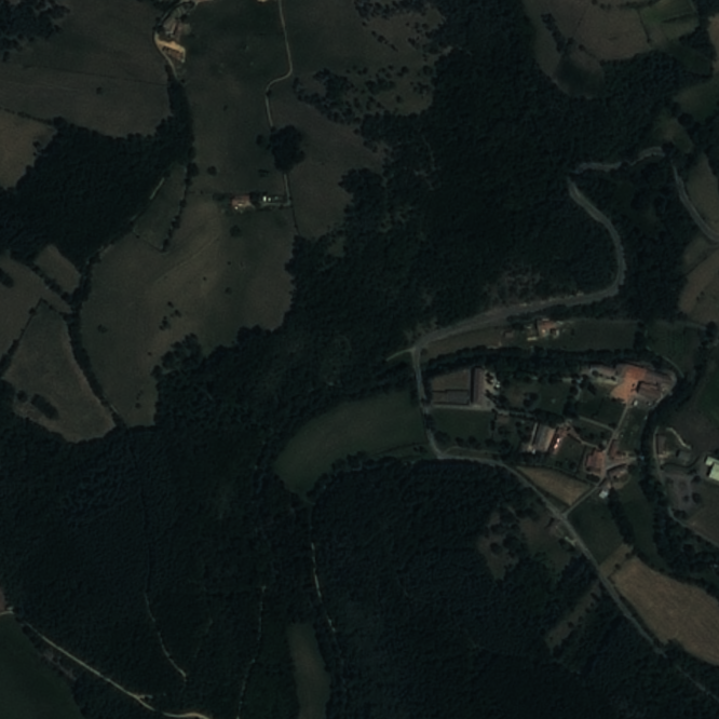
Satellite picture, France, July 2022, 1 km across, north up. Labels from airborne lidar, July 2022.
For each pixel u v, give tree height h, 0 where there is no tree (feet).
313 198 0
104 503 32
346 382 52
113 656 32
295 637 0
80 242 53
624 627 81
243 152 0
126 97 0
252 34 0
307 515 59
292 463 0
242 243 0
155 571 59
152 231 0
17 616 35
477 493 26
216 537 63
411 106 0
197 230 0
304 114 0
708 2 45
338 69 0
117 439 46
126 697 17
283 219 0
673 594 0
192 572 70
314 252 27
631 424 0
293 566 82
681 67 76
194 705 26
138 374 0
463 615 67
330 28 0
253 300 0
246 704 35
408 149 46
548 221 36
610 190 59
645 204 67
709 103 0
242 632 73
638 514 0
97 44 0
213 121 0
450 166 31
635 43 0
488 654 48
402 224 59
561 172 33
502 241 30
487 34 50
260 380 27
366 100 0
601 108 46
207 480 69
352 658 40
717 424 0
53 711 0
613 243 31
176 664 22
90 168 51
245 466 20
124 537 57
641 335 50
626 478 0
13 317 0
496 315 0
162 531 44
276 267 0
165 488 66
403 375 58
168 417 61
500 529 39
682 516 42
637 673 33
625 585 0
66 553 44
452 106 39
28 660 0
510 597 50
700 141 53
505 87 39
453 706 46
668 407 60
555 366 85
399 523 31
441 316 47
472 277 57
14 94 0
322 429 0
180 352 59
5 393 59
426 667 60
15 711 0
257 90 0
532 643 63
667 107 52
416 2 60
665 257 53
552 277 20
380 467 57
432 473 81
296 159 52
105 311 0
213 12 0
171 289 0
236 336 0
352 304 32
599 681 73
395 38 0
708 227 0
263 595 58
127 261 0
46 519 48
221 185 0
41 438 29
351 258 57
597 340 0
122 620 39
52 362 0
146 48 0
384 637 25
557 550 0
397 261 29
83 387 0
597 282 70
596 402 0
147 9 0
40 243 52
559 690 84
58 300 0
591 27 0
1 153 0
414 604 50
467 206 35
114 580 52
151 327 0
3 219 66
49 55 0
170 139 43
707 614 0
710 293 0
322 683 0
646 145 25
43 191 63
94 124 0
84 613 54
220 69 0
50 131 0
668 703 56
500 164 51
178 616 27
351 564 44
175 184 0
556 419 42
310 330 42
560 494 0
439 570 50
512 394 0
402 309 31
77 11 0
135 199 58
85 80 0
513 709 76
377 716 39
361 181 60
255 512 66
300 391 72
